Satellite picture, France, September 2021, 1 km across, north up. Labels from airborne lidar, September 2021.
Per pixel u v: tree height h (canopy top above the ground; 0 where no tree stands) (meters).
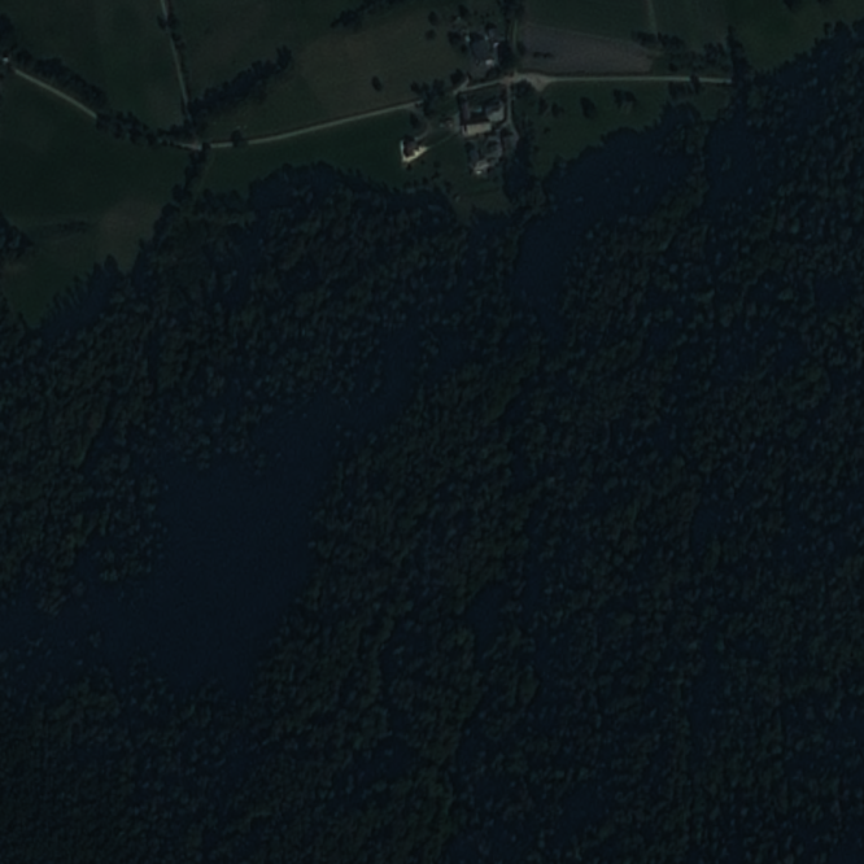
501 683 23
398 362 27
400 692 31
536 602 24
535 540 35
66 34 0
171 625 18
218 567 23
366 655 31
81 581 13
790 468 15
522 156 10
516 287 7
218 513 32
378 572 33
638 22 0
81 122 0
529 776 29
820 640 34
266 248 26
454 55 0
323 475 22
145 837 23
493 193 0
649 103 0
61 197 0
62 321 0
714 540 32
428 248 25
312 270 7
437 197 0
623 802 28
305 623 30
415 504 29
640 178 33
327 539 27
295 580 21
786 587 27
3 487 18
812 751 31
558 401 35
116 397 26
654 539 20
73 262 0
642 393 24
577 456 30
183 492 9
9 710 25
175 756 31
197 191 6
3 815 23
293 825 31
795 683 32
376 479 7
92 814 24
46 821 24
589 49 0
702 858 9
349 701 34
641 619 29
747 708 33
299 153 0
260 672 24
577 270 28
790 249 31
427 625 22
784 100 29
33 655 28
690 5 0
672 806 23
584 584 17
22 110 0
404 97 0
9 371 17
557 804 24
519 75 0
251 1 0
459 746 13
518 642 24
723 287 24
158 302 26
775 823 8
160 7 0
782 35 0
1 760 29
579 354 29
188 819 18
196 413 11
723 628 25
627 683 30
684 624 26
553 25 0
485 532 20
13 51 12
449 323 33
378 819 33
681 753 26
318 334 21
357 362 25
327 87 0
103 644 30
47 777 26
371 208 25
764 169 24
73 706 20
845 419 33
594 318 31
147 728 31
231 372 11
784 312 22
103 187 0
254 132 0
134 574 37
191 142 13
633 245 23
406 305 22
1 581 11
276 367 29
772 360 26
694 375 25
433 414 29
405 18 0
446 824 35
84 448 20
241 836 24
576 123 0
